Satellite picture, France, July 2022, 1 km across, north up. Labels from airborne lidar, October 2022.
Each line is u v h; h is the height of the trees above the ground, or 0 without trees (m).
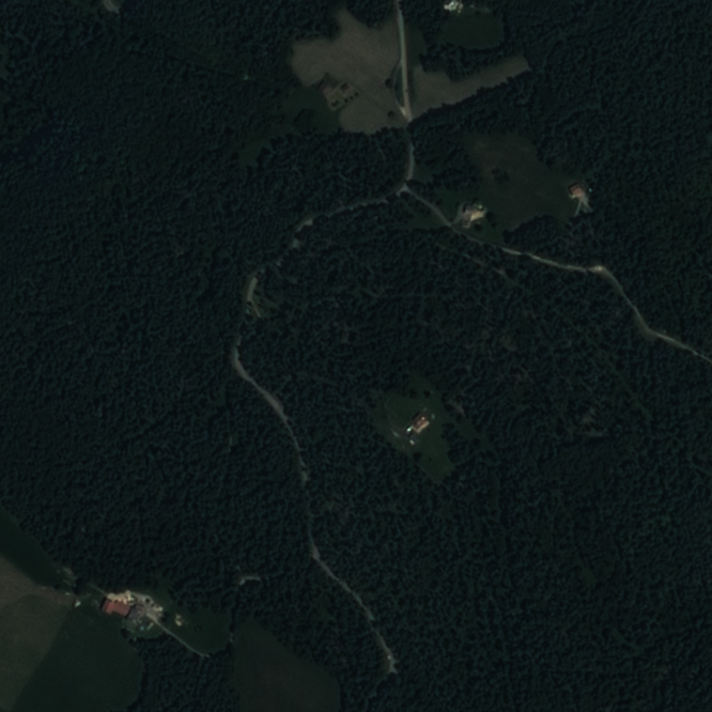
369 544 27
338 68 0
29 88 8
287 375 10
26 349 20
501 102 23
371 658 29
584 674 7
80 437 16
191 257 27
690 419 27
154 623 0
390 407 0
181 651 11
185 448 23
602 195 19
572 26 18
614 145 21
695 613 16
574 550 14
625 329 28
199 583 8
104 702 0
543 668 25
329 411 18
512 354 16
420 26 8
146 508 22
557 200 0
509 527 30
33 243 16
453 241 17
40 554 0
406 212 8
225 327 29
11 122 7
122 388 15
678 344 0
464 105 14
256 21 12
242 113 26
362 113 0
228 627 0
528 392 7
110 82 22
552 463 28
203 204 23
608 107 25
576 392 7
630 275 27
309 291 7
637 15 22
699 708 24
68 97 22
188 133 27
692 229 21
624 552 29
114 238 18
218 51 14
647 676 18
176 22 23
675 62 23
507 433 26
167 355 23
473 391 19
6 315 21
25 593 0
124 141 20
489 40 0
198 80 27
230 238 31
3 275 26
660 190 19
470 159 22
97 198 32
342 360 18
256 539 25
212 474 27
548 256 11
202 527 23
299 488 21
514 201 0
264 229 29
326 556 24
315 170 9
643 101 27
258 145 0
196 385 25
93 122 18
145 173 15
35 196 28
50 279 24
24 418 24
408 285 17
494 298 26
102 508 26
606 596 14
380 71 0
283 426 26
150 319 27
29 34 11
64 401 29
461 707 22
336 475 20
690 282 17
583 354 29
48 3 24
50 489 24
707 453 20
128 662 0
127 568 28
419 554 23
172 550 26
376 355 18
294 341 21
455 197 0
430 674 20
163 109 19
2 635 0
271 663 0
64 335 27
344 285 29
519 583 29
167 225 28
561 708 25
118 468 21
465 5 15
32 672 0
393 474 19
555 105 25
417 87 0
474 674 26
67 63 25
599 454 28
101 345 28
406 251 20
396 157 21
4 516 0
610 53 23
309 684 0
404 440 0
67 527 27
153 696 20
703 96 25
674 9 17
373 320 22
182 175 14
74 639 0
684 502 25
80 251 21
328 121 0
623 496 24
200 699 16
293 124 6
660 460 33
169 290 27
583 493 21
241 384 25
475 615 8
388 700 26
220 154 22
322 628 15
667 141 23
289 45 7
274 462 22
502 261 10
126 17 16
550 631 23
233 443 0
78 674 0
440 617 24
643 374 21
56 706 0
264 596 18
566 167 10
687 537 27
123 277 28
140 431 25
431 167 17
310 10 11
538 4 20
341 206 29
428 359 17
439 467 0
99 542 20
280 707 0
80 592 23
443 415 0
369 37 0
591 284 8
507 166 0
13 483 25
